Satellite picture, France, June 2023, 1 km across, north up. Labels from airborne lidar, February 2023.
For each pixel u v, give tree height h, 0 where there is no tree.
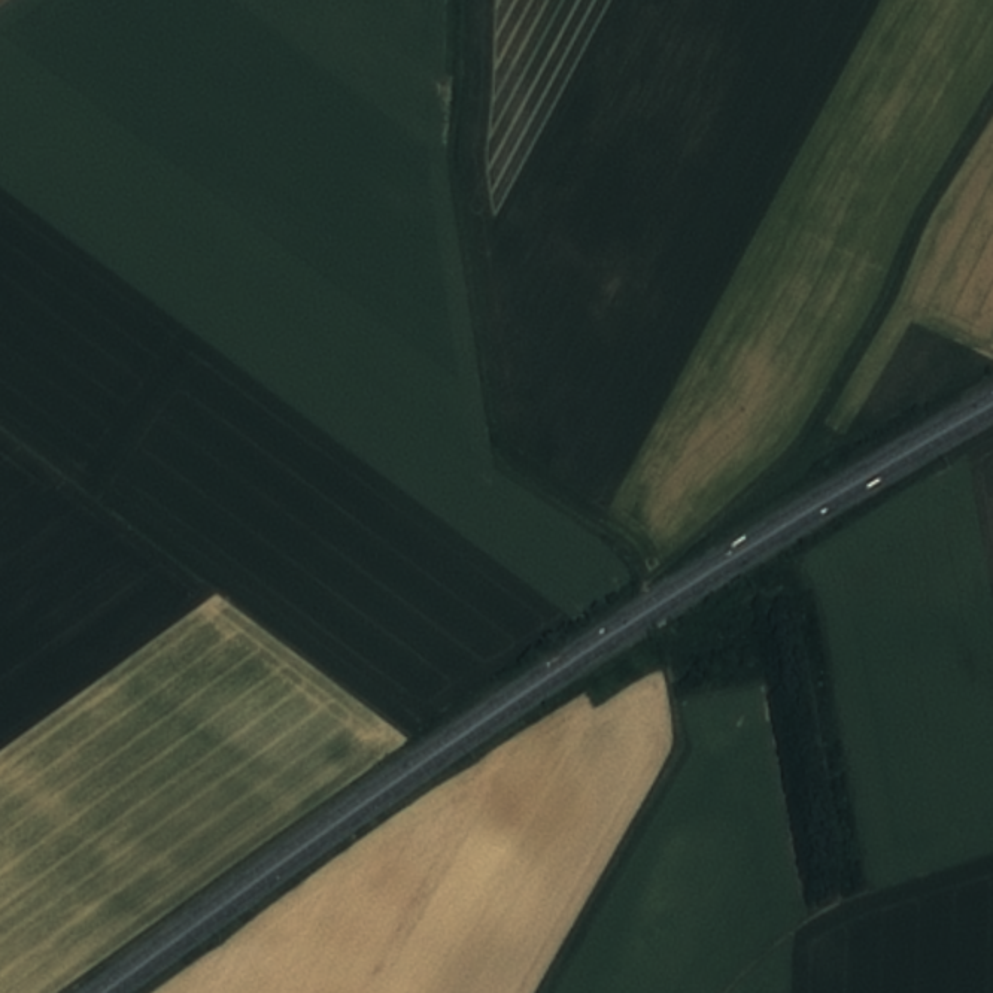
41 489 0
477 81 0
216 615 0
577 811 0
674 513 0
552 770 0
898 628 0
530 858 0
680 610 0
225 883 0
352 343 0
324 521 0
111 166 0
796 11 0
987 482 0
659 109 0
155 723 0
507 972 0
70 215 0
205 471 0
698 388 0
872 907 0
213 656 0
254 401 0
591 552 0
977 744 0
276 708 0
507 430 0
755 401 0
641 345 0
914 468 0
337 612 0
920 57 0
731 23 0
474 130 0
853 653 0
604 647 0
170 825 0
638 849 0
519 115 0
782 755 10
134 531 0
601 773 0
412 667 0
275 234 0
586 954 0
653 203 0
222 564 0
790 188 0
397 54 0
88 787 0
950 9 0
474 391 0
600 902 0
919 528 0
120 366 0
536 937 0
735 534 0
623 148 0
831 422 0
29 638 0
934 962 0
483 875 0
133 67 0
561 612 0
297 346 0
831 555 0
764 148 0
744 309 0
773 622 15
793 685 15
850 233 0
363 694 0
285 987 0
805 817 9
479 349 0
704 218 0
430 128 0
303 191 0
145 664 0
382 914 0
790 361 0
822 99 0
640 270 0
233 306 0
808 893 7
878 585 0
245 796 0
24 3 0
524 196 0
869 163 0
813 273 0
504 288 0
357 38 0
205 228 0
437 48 0
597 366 0
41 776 0
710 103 0
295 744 0
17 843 0
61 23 0
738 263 0
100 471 0
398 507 0
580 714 0
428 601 0
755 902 0
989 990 0
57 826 0
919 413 8
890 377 0
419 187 0
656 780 0
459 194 0
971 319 0
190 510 0
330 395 0
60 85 0
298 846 0
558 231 0
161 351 0
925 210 0
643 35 0
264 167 0
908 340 0
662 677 0
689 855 0
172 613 0
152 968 0
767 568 7
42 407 0
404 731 0
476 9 0
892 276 0
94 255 0
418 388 0
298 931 0
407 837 0
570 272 0
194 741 0
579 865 0
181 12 0
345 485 0
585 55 0
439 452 0
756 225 0
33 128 0
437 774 0
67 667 0
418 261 0
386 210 0
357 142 0
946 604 0
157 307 0
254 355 0
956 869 0
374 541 0
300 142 0
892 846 0
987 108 0
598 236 0
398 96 0
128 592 0
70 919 0
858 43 0
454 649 0
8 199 0
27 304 0
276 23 0
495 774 0
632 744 0
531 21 0
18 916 0
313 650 0
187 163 0
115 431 0
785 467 0
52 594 0
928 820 0
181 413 0
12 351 0
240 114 0
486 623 0
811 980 0
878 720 0
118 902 0
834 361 0
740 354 0
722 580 0
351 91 0
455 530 0
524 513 0
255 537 0
